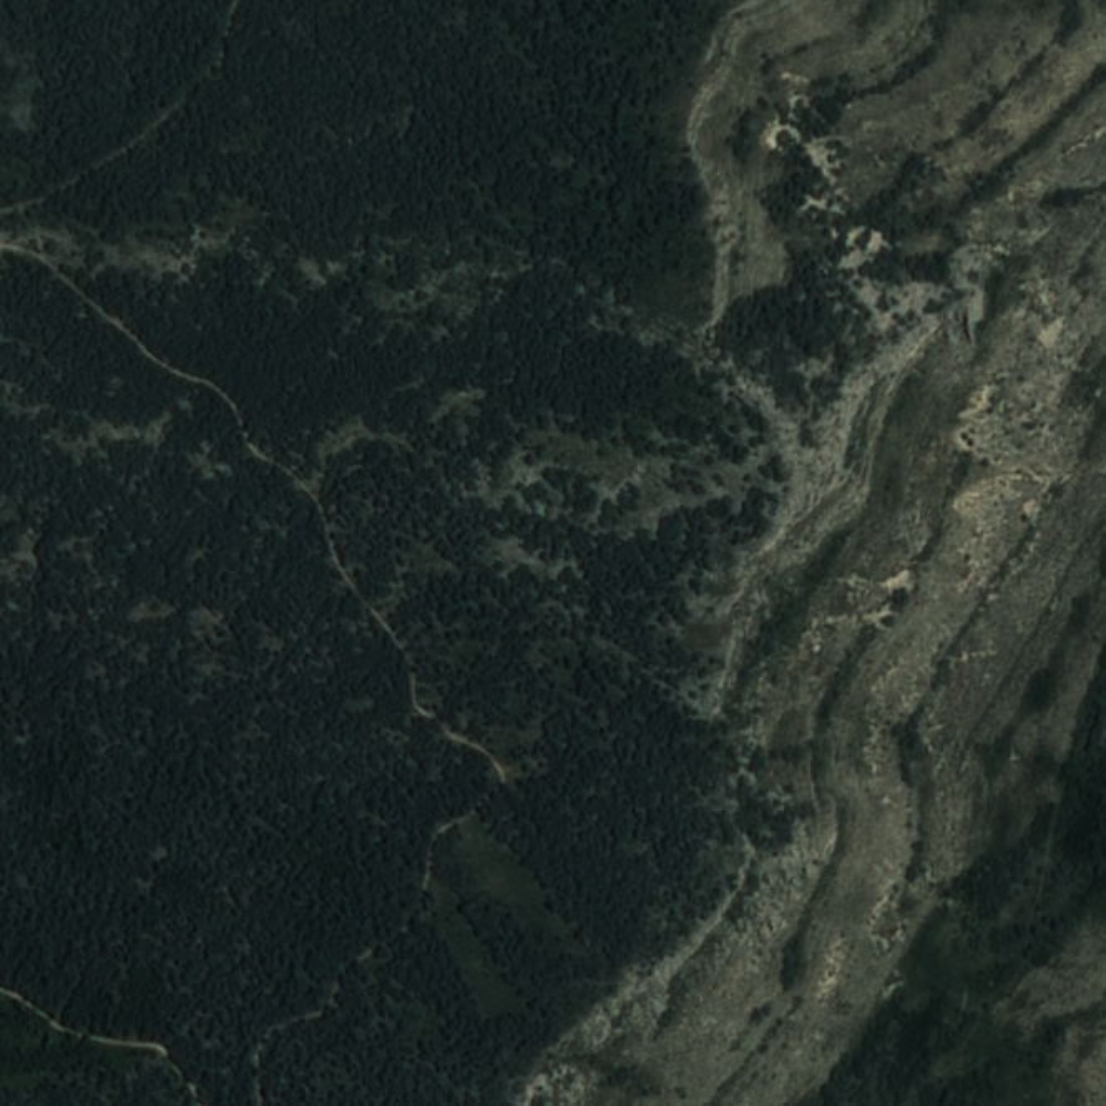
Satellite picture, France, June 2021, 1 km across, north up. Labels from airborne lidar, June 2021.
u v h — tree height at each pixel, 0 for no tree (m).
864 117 0
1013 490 0
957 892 8
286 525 7
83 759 11
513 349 9
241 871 12
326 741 7
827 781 0
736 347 8
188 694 13
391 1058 8
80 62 11
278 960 14
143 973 11
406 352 10
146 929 11
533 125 11
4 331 6
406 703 7
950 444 0
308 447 9
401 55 10
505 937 11
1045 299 0
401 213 8
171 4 12
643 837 7
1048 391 0
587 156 8
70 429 7
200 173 9
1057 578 0
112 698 16
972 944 5
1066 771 9
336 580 8
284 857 12
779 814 8
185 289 8
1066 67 0
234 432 8
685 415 7
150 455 8
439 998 13
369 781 10
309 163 7
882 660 0
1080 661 0
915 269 9
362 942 11
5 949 18
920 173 7
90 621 8
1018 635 0
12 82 9
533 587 7
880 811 0
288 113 11
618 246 11
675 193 12
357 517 12
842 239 9
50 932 11
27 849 13
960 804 0
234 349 11
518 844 12
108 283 14
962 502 0
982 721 0
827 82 8
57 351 8
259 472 12
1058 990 0
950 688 0
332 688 15
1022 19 0
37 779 11
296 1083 12
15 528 14
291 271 6
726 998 0
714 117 0
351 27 8
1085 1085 0
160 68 7
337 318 9
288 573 10
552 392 12
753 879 6
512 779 0
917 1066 7
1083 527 0
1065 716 0
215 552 9
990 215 0
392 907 17
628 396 13
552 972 11
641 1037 0
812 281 13
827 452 0
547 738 12
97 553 9
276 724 11
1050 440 0
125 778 13
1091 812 6
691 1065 0
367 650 11
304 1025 10
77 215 7
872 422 0
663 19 11
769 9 0
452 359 9
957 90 0
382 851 16
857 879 0
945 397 0
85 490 8
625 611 12
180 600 9
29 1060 7
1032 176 0
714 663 8
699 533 9
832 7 0
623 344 10
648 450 7
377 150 13
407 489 10
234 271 13
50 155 12
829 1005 0
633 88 10
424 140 14
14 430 9
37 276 10
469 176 9
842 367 13
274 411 7
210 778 14
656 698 10
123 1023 13
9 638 10
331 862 13
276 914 19
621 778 11
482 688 12
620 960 8
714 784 6
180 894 13
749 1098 0
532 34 7
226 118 8
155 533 11
